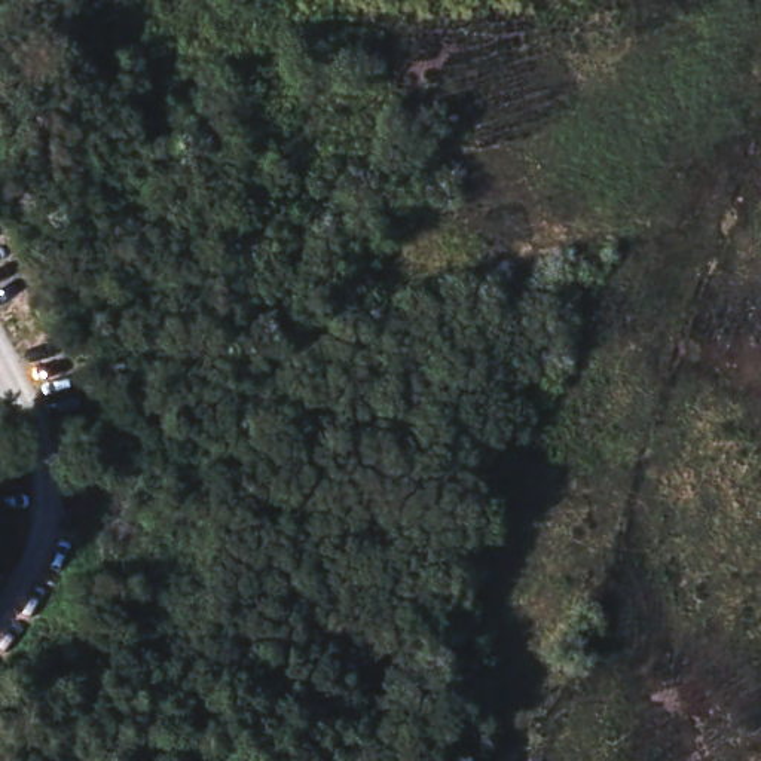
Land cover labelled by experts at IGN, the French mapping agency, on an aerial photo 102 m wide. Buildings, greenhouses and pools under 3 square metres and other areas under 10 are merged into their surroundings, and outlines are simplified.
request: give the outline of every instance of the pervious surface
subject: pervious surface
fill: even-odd
[[[12,351],[24,363],[24,378],[33,381],[30,386],[39,395],[68,386],[71,363],[62,360],[62,354],[54,345],[45,342],[45,333],[33,321],[30,300],[21,294],[24,276],[3,235],[0,235],[0,327]]]
[[[116,493],[104,488],[59,490],[51,473],[33,470],[0,482],[0,654],[6,654],[9,642],[21,642],[21,636],[27,633],[27,618],[33,618],[33,606],[45,609],[65,565],[101,535],[104,520],[113,517],[116,508]]]

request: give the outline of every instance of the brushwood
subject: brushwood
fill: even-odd
[[[143,24],[143,36],[175,39],[175,74],[181,80],[196,80],[202,86],[235,92],[232,119],[238,122],[238,128],[244,128],[250,149],[262,155],[276,152],[279,163],[288,172],[294,172],[297,193],[309,190],[309,196],[315,199],[330,199],[342,205],[345,229],[351,229],[354,235],[369,235],[372,250],[392,253],[401,259],[404,244],[389,238],[381,217],[375,217],[381,208],[404,205],[458,211],[464,202],[464,169],[458,166],[443,169],[434,184],[422,181],[428,158],[449,134],[449,110],[446,104],[419,107],[419,113],[398,107],[392,83],[366,86],[348,77],[345,51],[330,65],[315,62],[297,39],[297,33],[303,30],[303,21],[333,18],[333,9],[357,9],[366,15],[413,12],[419,21],[428,21],[428,0],[146,0],[152,15]]]
[[[62,422],[74,416],[83,419],[83,428],[98,440],[98,461],[104,467],[110,467],[119,476],[137,476],[140,470],[140,440],[122,431],[95,398],[89,398],[83,386],[68,386],[39,395],[30,407],[21,407],[12,392],[0,395],[0,425],[36,428],[39,449],[33,470],[51,473],[51,464],[59,449]]]

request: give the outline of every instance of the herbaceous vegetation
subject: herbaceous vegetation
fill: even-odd
[[[45,333],[59,318],[54,297],[56,288],[48,276],[51,253],[45,253],[36,241],[3,235],[24,276],[21,294],[30,300],[33,321]]]
[[[544,392],[538,383],[526,386],[523,401],[532,404],[538,413],[538,431],[529,434],[529,443],[517,446],[505,440],[490,461],[479,461],[479,476],[485,476],[488,485],[499,485],[505,490],[505,538],[496,547],[458,553],[464,583],[476,592],[476,600],[473,609],[458,606],[449,612],[446,636],[437,645],[443,645],[452,654],[449,687],[458,696],[479,705],[482,728],[458,734],[458,740],[446,746],[443,761],[761,761],[761,0],[428,0],[428,21],[419,21],[413,12],[366,15],[357,9],[333,9],[333,18],[303,21],[303,30],[297,33],[297,39],[315,62],[330,65],[345,51],[348,77],[366,86],[392,83],[398,107],[419,113],[419,107],[446,104],[449,110],[449,134],[428,158],[422,181],[434,184],[443,169],[458,166],[464,169],[464,202],[458,211],[404,205],[381,208],[375,217],[381,217],[389,238],[404,244],[401,259],[413,268],[428,268],[431,273],[443,265],[473,265],[476,279],[485,282],[488,276],[496,276],[502,291],[517,294],[520,300],[526,294],[532,271],[544,271],[547,279],[559,279],[553,312],[574,357],[574,369],[565,372],[559,392]]]

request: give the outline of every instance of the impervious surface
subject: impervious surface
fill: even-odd
[[[39,395],[30,386],[33,381],[24,378],[24,363],[12,351],[0,327],[0,395],[12,392],[21,407],[30,407]]]

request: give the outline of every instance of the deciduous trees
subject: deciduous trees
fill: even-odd
[[[33,470],[39,449],[36,428],[0,425],[0,482]]]
[[[517,446],[529,443],[529,434],[538,431],[538,413],[532,404],[523,401],[526,386],[538,383],[544,392],[559,392],[565,372],[574,369],[574,357],[553,312],[559,279],[547,279],[544,271],[532,271],[526,294],[520,300],[517,294],[502,291],[496,276],[488,276],[485,282],[476,279],[473,265],[443,265],[431,273],[428,268],[413,268],[401,259],[392,253],[372,250],[369,235],[354,235],[351,229],[345,229],[342,205],[330,199],[315,199],[309,196],[309,190],[297,193],[294,172],[288,172],[279,163],[276,152],[262,155],[250,149],[244,128],[238,128],[238,122],[232,119],[235,92],[202,86],[196,80],[181,80],[175,74],[175,39],[143,36],[143,24],[152,15],[146,0],[0,0],[0,235],[3,235],[36,241],[45,253],[51,253],[48,276],[56,288],[54,297],[59,318],[45,333],[45,342],[54,345],[62,354],[62,360],[71,363],[68,386],[83,386],[89,398],[95,398],[122,431],[140,440],[140,470],[137,476],[119,476],[110,467],[104,467],[98,461],[98,440],[83,428],[83,419],[74,416],[62,422],[59,449],[51,464],[51,473],[59,490],[104,488],[116,493],[116,508],[113,517],[104,520],[101,535],[65,565],[45,609],[33,606],[33,618],[27,618],[27,633],[21,636],[21,642],[9,642],[6,654],[0,654],[0,761],[443,761],[446,746],[458,740],[458,734],[482,728],[479,705],[458,696],[449,687],[452,654],[443,645],[437,645],[446,636],[449,612],[458,606],[473,609],[476,600],[476,592],[464,583],[458,553],[496,547],[505,538],[505,490],[499,485],[488,485],[485,476],[479,476],[479,461],[490,461],[505,440]]]

